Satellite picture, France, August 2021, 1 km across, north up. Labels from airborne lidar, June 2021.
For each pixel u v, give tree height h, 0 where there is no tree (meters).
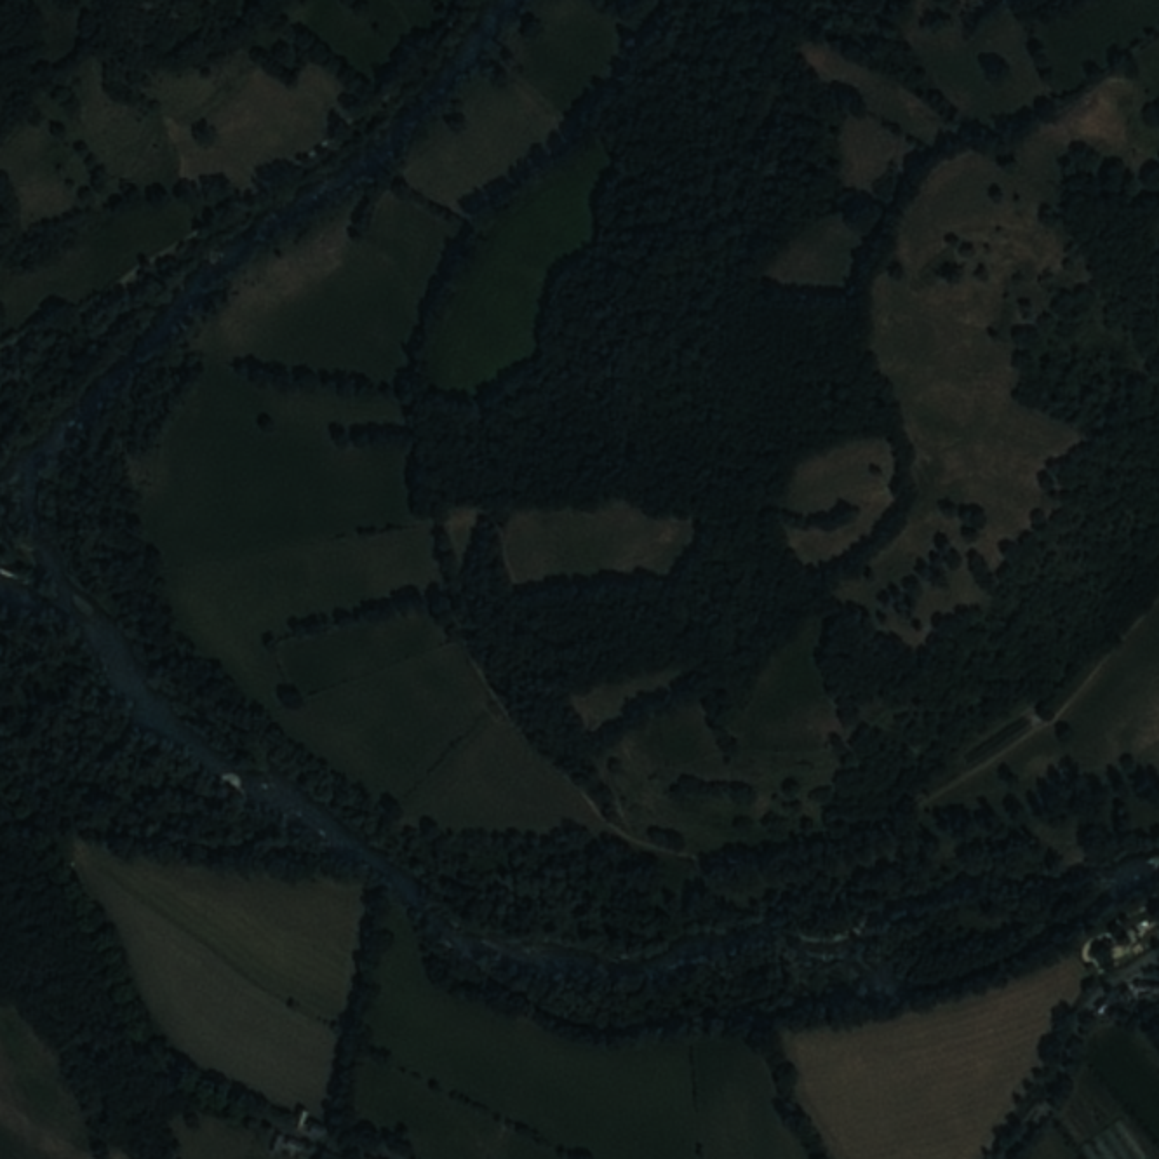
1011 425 0
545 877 18
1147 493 18
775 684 0
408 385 20
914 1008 21
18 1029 0
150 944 0
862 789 21
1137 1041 0
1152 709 0
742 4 19
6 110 9
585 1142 0
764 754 0
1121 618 14
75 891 29
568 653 21
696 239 19
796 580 19
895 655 20
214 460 0
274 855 25
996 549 0
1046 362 15
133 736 19
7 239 15
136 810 11
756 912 13
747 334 19
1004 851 21
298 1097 0
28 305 0
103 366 10
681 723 0
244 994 0
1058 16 13
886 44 11
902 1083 0
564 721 16
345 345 0
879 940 15
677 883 0
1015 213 0
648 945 16
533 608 17
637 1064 0
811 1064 0
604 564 0
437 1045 0
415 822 0
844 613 16
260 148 0
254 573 0
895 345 0
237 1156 0
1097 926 9
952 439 0
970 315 0
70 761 18
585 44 0
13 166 0
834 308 19
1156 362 17
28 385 14
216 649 0
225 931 0
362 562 0
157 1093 18
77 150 13
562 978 20
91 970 23
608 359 16
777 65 22
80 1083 24
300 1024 0
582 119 18
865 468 0
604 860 29
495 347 0
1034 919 17
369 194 15
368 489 0
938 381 0
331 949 0
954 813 9
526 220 0
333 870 19
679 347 9
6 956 22
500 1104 0
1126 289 16
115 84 18
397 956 0
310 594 0
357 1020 18
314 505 0
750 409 21
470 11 22
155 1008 0
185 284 0
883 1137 0
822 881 28
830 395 8
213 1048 0
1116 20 0
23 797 23
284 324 0
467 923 18
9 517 18
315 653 0
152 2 13
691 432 21
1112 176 21
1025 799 0
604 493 24
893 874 19
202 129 12
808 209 15
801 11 12
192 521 0
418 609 21
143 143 0
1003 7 7
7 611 15
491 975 11
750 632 15
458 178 0
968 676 16
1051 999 0
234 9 12
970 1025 0
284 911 0
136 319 13
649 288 20
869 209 22
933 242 0
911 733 17
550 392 18
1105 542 10
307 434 0
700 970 19
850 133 0
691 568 14
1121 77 10
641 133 19
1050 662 20
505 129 0
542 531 0
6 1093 0
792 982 22
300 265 0
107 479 12
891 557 0
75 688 19
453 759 0
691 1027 11
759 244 28
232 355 0
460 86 15
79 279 0
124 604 14
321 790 19
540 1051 0
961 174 0
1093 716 0
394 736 0
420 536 0
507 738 0
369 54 0
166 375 20
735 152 20
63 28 0
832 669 17
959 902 8
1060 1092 15
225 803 17
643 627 25
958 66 0
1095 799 26
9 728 15
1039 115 14
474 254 16
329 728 0
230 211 22
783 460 24
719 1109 0
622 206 16
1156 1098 0
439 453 20
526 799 0
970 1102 0
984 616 14
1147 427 16
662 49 19
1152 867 0
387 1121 0
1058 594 16
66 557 18
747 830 15
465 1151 0
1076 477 15
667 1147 0
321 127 0
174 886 0
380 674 0
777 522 22
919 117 0
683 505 21
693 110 21
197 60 19
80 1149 0
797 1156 0
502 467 18
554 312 20
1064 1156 0
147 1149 13
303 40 22
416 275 0
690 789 16
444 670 0
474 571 11
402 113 0
